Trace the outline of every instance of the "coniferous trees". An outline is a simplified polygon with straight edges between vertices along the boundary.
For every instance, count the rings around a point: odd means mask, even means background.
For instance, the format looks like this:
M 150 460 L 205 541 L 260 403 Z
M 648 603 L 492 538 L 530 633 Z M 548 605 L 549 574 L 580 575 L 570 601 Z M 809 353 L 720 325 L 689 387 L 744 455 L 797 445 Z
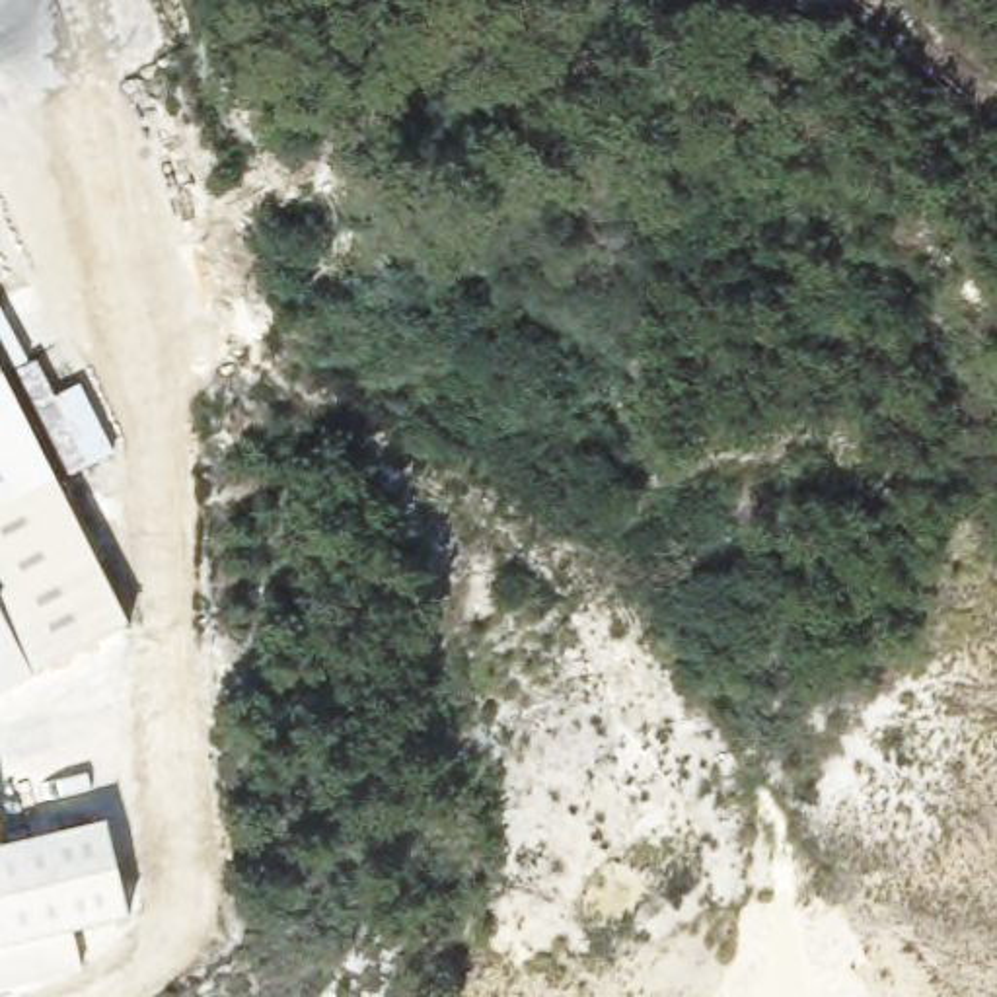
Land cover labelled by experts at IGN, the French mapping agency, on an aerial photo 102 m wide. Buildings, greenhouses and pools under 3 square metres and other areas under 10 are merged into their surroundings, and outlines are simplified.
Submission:
M 900 315 L 915 315 L 923 304 L 931 308 L 939 288 L 954 284 L 942 277 L 942 265 L 935 265 L 915 245 L 900 245 L 892 230 L 907 218 L 954 218 L 970 230 L 974 245 L 978 245 L 978 241 L 997 241 L 997 0 L 845 0 L 837 23 L 818 27 L 806 19 L 779 23 L 771 16 L 720 8 L 709 0 L 238 0 L 245 8 L 257 8 L 261 27 L 249 35 L 253 47 L 277 47 L 292 62 L 312 70 L 312 86 L 296 93 L 300 113 L 315 113 L 335 129 L 335 140 L 351 144 L 358 144 L 358 136 L 374 132 L 382 121 L 389 121 L 401 132 L 397 156 L 378 167 L 374 183 L 382 191 L 382 218 L 397 226 L 405 245 L 436 226 L 444 226 L 444 241 L 452 249 L 460 249 L 463 241 L 487 245 L 506 226 L 537 222 L 545 206 L 557 206 L 588 218 L 588 241 L 576 249 L 592 269 L 611 269 L 619 261 L 619 249 L 627 241 L 623 234 L 631 230 L 631 222 L 639 222 L 643 234 L 678 230 L 682 195 L 666 187 L 670 171 L 717 171 L 728 175 L 744 191 L 744 199 L 783 191 L 787 218 L 763 222 L 767 249 L 802 253 L 814 265 L 833 265 L 845 253 L 849 261 L 857 261 L 849 277 L 857 277 L 861 292 L 876 304 Z
M 923 343 L 907 347 L 915 378 L 927 389 L 935 389 L 927 413 L 954 405 L 962 397 L 962 386 L 942 354 L 946 335 L 935 327 Z

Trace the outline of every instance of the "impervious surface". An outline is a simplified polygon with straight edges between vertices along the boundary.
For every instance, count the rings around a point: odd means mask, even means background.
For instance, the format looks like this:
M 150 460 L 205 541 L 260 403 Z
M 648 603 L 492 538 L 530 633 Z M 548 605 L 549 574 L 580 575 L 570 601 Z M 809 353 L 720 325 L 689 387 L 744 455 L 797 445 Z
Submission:
M 191 31 L 187 0 L 0 0 L 0 117 L 19 101 L 27 86 L 55 105 L 78 93 L 82 101 L 109 105 L 121 93 L 125 74 L 140 62 L 152 62 L 152 55 L 160 51 L 175 35 Z

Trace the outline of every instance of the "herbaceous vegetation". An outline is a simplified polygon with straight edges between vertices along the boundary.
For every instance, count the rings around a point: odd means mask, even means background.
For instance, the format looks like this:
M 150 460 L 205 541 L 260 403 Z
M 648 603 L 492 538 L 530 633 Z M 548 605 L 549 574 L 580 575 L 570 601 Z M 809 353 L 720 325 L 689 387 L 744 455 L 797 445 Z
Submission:
M 347 954 L 339 942 L 319 939 L 315 927 L 292 919 L 253 911 L 241 923 L 241 942 L 230 954 L 210 958 L 199 974 L 175 974 L 156 997 L 463 997 L 471 970 L 467 954 L 463 942 L 456 942 L 448 950 L 421 946 L 405 958 L 382 950 L 362 958 Z
M 830 444 L 837 463 L 802 475 L 787 456 L 791 444 Z M 849 506 L 868 518 L 880 514 L 884 499 L 868 487 L 868 471 L 857 467 L 861 440 L 849 436 L 837 421 L 798 421 L 791 428 L 771 432 L 767 444 L 756 448 L 705 452 L 713 467 L 728 467 L 736 475 L 736 502 L 752 502 L 752 518 L 759 526 L 775 522 L 779 502 Z
M 954 218 L 907 218 L 892 230 L 900 245 L 915 245 L 935 265 L 942 265 L 942 277 L 954 284 L 939 288 L 931 308 L 935 327 L 946 335 L 942 354 L 962 386 L 985 405 L 997 401 L 997 284 L 989 280 L 985 288 L 978 288 L 978 284 L 974 284 L 978 269 L 974 269 L 974 245 L 970 230 Z
M 705 553 L 693 565 L 693 572 L 740 572 L 744 549 L 728 545 Z

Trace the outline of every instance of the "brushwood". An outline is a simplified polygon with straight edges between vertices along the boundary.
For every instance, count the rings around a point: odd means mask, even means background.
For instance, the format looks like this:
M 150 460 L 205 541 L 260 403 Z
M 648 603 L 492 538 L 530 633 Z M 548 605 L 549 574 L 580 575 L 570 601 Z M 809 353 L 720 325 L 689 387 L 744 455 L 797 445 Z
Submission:
M 783 756 L 794 732 L 810 724 L 810 709 L 826 697 L 845 697 L 861 689 L 868 701 L 876 701 L 884 693 L 884 670 L 876 666 L 872 643 L 896 635 L 896 643 L 911 646 L 923 635 L 927 608 L 939 596 L 939 565 L 950 553 L 950 534 L 958 522 L 974 522 L 978 537 L 997 553 L 997 401 L 985 405 L 962 386 L 962 397 L 954 405 L 927 413 L 935 389 L 927 389 L 915 378 L 907 347 L 923 343 L 935 327 L 931 308 L 923 304 L 915 315 L 900 315 L 876 304 L 861 292 L 857 277 L 849 277 L 857 261 L 849 261 L 845 253 L 833 265 L 814 265 L 802 253 L 767 249 L 763 222 L 787 218 L 783 191 L 744 199 L 744 191 L 728 175 L 717 171 L 670 171 L 666 187 L 682 195 L 678 230 L 643 234 L 639 222 L 631 222 L 631 230 L 623 234 L 627 241 L 619 249 L 619 261 L 611 269 L 592 269 L 576 249 L 588 241 L 588 218 L 557 206 L 545 206 L 537 222 L 506 226 L 487 245 L 463 241 L 460 249 L 452 249 L 444 241 L 444 226 L 436 226 L 405 245 L 397 226 L 382 218 L 382 191 L 374 183 L 378 167 L 397 156 L 401 132 L 389 121 L 382 121 L 374 132 L 358 136 L 358 144 L 351 144 L 335 140 L 335 129 L 315 113 L 300 113 L 296 93 L 312 86 L 312 70 L 292 62 L 277 47 L 253 47 L 249 35 L 261 27 L 257 8 L 245 8 L 238 0 L 187 0 L 191 31 L 175 35 L 160 51 L 167 55 L 164 82 L 183 86 L 191 93 L 199 136 L 214 152 L 214 167 L 206 179 L 210 195 L 226 195 L 230 187 L 238 187 L 249 167 L 245 144 L 226 125 L 234 109 L 249 109 L 253 129 L 265 136 L 265 144 L 284 167 L 304 167 L 315 160 L 319 144 L 335 144 L 335 191 L 327 199 L 284 203 L 269 195 L 245 226 L 257 292 L 277 312 L 265 331 L 265 351 L 280 354 L 292 347 L 292 362 L 284 374 L 292 382 L 331 389 L 335 405 L 300 405 L 280 397 L 280 389 L 269 382 L 249 386 L 230 374 L 210 374 L 210 386 L 191 401 L 191 425 L 199 436 L 195 499 L 230 487 L 245 475 L 261 487 L 195 522 L 195 561 L 210 565 L 210 592 L 191 596 L 191 608 L 206 619 L 218 619 L 218 631 L 241 654 L 222 678 L 210 724 L 210 744 L 218 752 L 218 798 L 234 853 L 226 861 L 222 888 L 234 896 L 241 923 L 253 911 L 292 919 L 315 927 L 319 939 L 339 942 L 347 954 L 362 958 L 382 950 L 405 958 L 421 946 L 448 950 L 456 942 L 463 942 L 467 954 L 495 939 L 491 880 L 506 865 L 506 767 L 460 732 L 491 724 L 502 701 L 530 705 L 530 693 L 522 693 L 510 682 L 510 666 L 522 666 L 537 685 L 549 685 L 549 678 L 561 674 L 565 650 L 576 646 L 576 611 L 608 611 L 608 604 L 639 608 L 639 646 L 650 650 L 654 643 L 674 643 L 674 662 L 666 670 L 685 713 L 709 717 L 720 728 L 728 752 L 736 752 L 740 744 L 767 744 L 775 756 Z M 339 230 L 351 230 L 354 269 L 378 273 L 374 288 L 343 304 L 312 288 L 315 261 Z M 705 452 L 756 448 L 767 444 L 771 432 L 791 428 L 798 421 L 837 421 L 849 436 L 861 440 L 857 467 L 868 471 L 868 487 L 884 499 L 880 514 L 868 518 L 849 506 L 779 502 L 775 522 L 759 526 L 752 518 L 752 502 L 736 502 L 736 475 L 728 467 L 713 467 Z M 693 565 L 705 553 L 728 545 L 744 549 L 740 572 L 693 572 Z M 460 635 L 440 635 L 444 596 L 452 588 L 452 561 L 460 553 L 483 553 L 495 561 L 491 611 L 471 619 L 471 627 Z
M 985 288 L 989 280 L 997 284 L 997 241 L 978 241 L 978 245 L 974 245 L 974 269 L 978 269 L 974 284 L 978 284 L 978 288 Z
M 837 463 L 830 444 L 791 444 L 787 456 L 802 475 Z

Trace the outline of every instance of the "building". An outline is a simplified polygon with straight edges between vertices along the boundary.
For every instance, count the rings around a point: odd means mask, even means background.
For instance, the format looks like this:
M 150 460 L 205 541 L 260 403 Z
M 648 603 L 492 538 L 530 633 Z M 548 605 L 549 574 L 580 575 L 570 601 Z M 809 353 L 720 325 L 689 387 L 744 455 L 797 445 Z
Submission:
M 0 689 L 23 682 L 27 674 L 66 662 L 70 654 L 93 646 L 105 635 L 117 635 L 125 627 L 125 611 L 62 495 L 62 487 L 86 463 L 109 456 L 109 440 L 101 436 L 82 389 L 55 393 L 47 386 L 47 378 L 23 354 L 0 312 Z
M 78 970 L 74 931 L 90 935 L 101 923 L 121 927 L 125 892 L 109 830 L 101 822 L 27 841 L 0 841 L 0 997 L 27 997 L 43 985 L 66 981 Z

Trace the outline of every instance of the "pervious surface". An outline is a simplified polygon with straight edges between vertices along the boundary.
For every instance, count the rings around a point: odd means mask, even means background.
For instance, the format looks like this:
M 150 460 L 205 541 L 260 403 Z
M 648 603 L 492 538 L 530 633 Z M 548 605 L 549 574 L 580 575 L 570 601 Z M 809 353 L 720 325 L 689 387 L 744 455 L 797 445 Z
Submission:
M 339 230 L 315 261 L 312 288 L 343 304 L 374 288 L 378 273 L 354 269 L 351 230 Z
M 164 82 L 167 55 L 160 51 L 152 55 L 152 62 L 140 62 L 125 74 L 121 93 L 109 105 L 82 101 L 78 93 L 55 105 L 27 86 L 19 101 L 0 117 L 0 312 L 23 354 L 47 378 L 47 386 L 55 393 L 82 389 L 101 436 L 109 440 L 109 456 L 86 463 L 62 487 L 62 495 L 125 611 L 125 627 L 117 635 L 105 635 L 93 646 L 70 654 L 66 662 L 27 674 L 23 682 L 0 689 L 0 841 L 27 841 L 101 822 L 109 830 L 125 892 L 121 927 L 101 923 L 90 935 L 74 931 L 78 970 L 66 981 L 43 985 L 27 997 L 156 997 L 175 974 L 199 974 L 210 958 L 230 954 L 241 942 L 241 923 L 234 896 L 222 888 L 226 861 L 234 853 L 218 798 L 218 752 L 210 744 L 210 724 L 222 678 L 241 654 L 218 631 L 218 619 L 206 619 L 191 608 L 191 596 L 210 592 L 210 565 L 195 561 L 195 522 L 261 487 L 245 475 L 230 487 L 195 499 L 199 436 L 191 425 L 191 401 L 210 386 L 210 374 L 230 374 L 249 386 L 269 382 L 280 389 L 280 397 L 300 405 L 335 405 L 331 389 L 292 382 L 284 374 L 292 362 L 292 347 L 280 354 L 265 351 L 265 331 L 277 312 L 257 292 L 245 226 L 269 195 L 284 203 L 327 199 L 335 191 L 335 144 L 319 144 L 315 160 L 304 167 L 284 167 L 265 144 L 265 136 L 253 129 L 249 109 L 234 109 L 226 125 L 245 144 L 249 167 L 238 187 L 230 187 L 226 195 L 210 195 L 206 179 L 214 167 L 214 152 L 199 136 L 191 93 L 183 86 Z
M 709 0 L 720 8 L 771 16 L 779 23 L 806 19 L 818 27 L 837 23 L 845 0 Z
M 650 650 L 639 646 L 639 608 L 608 604 L 608 611 L 576 611 L 576 646 L 565 650 L 561 674 L 549 678 L 549 685 L 537 685 L 522 666 L 510 666 L 510 682 L 522 693 L 530 693 L 530 705 L 502 701 L 491 724 L 460 732 L 506 767 L 506 865 L 491 880 L 495 939 L 467 954 L 471 970 L 463 997 L 997 997 L 997 553 L 978 537 L 974 522 L 958 522 L 950 534 L 950 553 L 939 565 L 939 596 L 927 608 L 923 635 L 911 646 L 896 643 L 896 635 L 872 643 L 876 666 L 884 670 L 884 693 L 876 701 L 868 701 L 861 689 L 845 697 L 826 697 L 810 709 L 810 724 L 794 732 L 783 756 L 775 756 L 767 744 L 740 744 L 736 752 L 728 752 L 720 728 L 709 717 L 685 713 L 666 670 L 674 662 L 674 643 L 654 643 Z
M 444 596 L 440 635 L 460 635 L 471 627 L 471 619 L 491 611 L 495 561 L 483 553 L 460 553 L 452 561 L 452 588 Z

